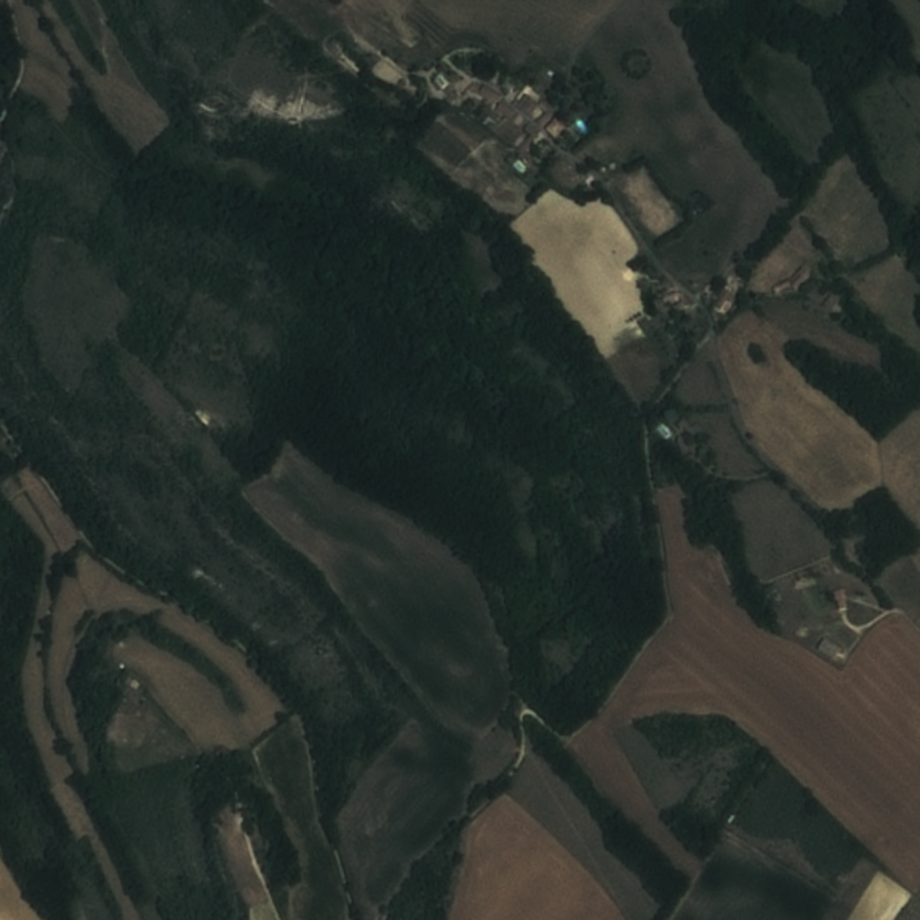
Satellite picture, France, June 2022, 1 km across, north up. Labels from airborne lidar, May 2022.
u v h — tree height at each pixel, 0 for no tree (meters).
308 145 9
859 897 0
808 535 0
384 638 0
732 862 0
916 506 0
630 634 10
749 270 9
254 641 9
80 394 7
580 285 0
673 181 0
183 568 6
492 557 14
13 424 17
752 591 12
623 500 8
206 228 11
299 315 6
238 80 0
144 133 0
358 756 7
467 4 0
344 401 9
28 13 0
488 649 0
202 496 7
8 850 14
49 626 16
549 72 0
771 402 0
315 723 11
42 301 0
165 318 8
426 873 11
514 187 0
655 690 0
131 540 9
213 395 0
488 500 13
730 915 0
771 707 0
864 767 0
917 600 0
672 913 9
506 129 0
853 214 0
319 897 0
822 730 0
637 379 0
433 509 14
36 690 0
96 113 9
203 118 6
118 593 0
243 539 8
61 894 13
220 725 0
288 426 15
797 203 8
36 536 10
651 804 0
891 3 16
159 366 9
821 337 0
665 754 9
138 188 20
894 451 0
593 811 7
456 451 11
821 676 0
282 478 0
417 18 0
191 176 10
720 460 0
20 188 11
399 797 0
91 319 0
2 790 13
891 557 12
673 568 0
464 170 0
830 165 15
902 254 14
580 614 15
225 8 7
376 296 21
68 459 7
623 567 19
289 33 10
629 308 0
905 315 0
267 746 0
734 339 0
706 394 0
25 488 0
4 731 15
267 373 9
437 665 0
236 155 12
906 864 0
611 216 0
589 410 11
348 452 12
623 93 0
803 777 0
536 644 11
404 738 0
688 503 13
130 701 0
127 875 6
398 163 11
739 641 0
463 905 0
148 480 7
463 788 0
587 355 13
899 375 13
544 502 17
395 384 11
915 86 0
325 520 0
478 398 15
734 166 0
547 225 0
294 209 14
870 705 0
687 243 0
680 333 6
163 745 0
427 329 15
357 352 8
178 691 0
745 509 0
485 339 13
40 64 0
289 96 0
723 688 0
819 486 0
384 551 0
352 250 21
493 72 16
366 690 10
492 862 0
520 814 0
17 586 18
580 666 12
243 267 7
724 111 20
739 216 0
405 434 7
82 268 0
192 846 0
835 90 19
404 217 6
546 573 15
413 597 0
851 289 9
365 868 0
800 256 0
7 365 6
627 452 11
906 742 0
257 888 0
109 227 9
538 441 17
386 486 12
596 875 0
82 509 12
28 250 8
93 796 17
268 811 12
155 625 8
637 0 0
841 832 6
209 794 7
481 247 0
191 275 8
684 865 0
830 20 11
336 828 9
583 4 0
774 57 0
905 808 0
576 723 13
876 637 0
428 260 16
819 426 0
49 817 13
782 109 0
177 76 6
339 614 9
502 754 0
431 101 9
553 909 0
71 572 14
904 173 0
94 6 0
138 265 7
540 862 0
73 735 0
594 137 7
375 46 0
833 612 0
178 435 0
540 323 13
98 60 14
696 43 14
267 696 0
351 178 10
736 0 14
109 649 0
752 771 10
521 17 0
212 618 21
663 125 0
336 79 6
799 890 0
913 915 0
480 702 0
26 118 9
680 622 0
